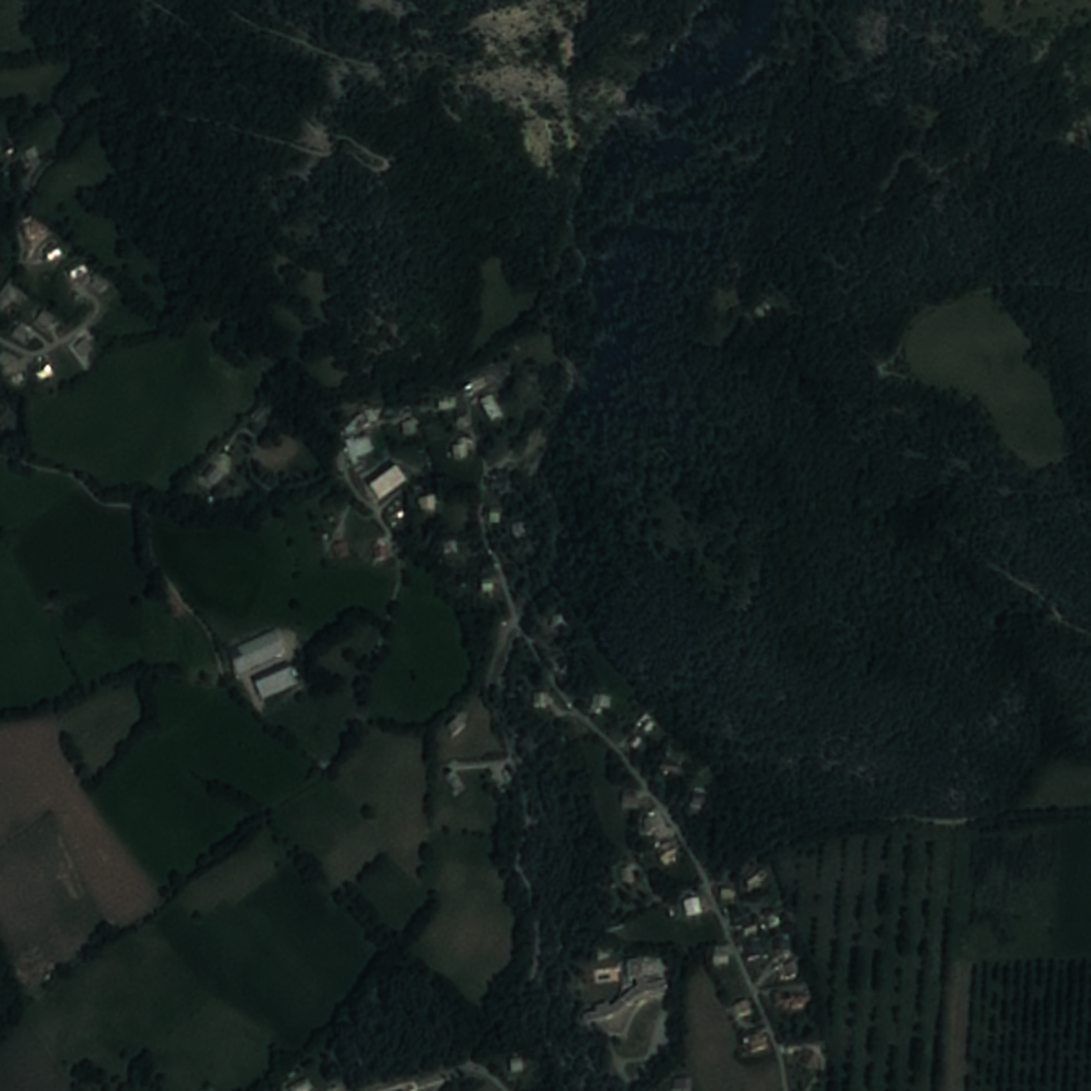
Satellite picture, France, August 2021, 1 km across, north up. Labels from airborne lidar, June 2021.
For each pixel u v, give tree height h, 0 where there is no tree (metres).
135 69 18
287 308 11
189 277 18
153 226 22
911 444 19
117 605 0
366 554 0
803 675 17
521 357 0
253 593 0
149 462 0
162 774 0
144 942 0
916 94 11
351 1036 26
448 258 20
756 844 17
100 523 0
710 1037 0
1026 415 0
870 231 17
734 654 13
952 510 18
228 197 12
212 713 0
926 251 18
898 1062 9
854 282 17
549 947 13
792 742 11
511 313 0
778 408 13
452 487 15
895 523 21
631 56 8
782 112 13
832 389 22
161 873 0
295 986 0
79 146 12
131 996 0
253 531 14
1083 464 11
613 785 11
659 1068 18
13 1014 17
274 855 0
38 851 0
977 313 0
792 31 14
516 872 7
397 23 7
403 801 0
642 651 21
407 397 29
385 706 0
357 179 15
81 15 21
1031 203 20
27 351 0
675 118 25
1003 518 15
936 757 21
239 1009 0
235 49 20
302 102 15
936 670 23
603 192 11
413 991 25
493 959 0
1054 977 6
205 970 0
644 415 18
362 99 13
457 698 9
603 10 20
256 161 17
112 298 0
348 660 12
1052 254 22
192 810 0
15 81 0
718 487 9
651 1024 0
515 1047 7
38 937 0
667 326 26
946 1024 9
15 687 0
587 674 22
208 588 0
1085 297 11
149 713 14
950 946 10
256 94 8
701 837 10
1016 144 14
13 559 0
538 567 9
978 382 0
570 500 17
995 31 9
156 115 17
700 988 0
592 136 8
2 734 0
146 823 0
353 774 0
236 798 10
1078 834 0
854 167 14
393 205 11
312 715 0
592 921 17
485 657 12
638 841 9
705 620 21
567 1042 15
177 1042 0
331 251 7
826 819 19
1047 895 0
